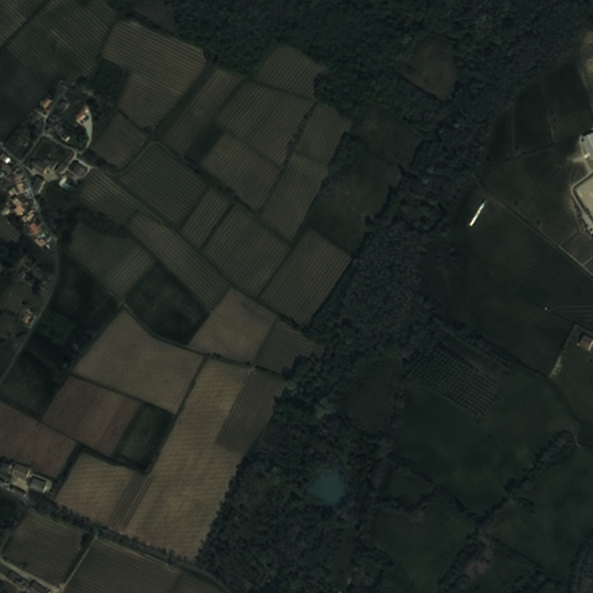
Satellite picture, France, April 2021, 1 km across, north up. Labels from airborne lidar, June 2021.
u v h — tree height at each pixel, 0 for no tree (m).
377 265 30
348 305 23
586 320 0
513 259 0
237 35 20
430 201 14
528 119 0
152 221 0
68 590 0
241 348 0
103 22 0
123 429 0
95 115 8
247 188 0
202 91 0
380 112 0
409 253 33
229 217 0
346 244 0
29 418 0
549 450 12
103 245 0
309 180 0
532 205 0
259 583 17
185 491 0
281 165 0
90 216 9
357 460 18
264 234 0
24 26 0
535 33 16
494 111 17
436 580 0
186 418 0
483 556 12
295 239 0
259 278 0
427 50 0
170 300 0
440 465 0
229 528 20
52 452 0
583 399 0
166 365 0
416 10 16
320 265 0
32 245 0
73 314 0
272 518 12
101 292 0
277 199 0
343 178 11
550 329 0
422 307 21
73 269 0
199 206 0
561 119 0
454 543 0
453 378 19
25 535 0
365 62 18
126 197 0
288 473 7
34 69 0
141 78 0
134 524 0
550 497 0
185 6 19
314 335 11
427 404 0
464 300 0
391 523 0
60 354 0
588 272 0
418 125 18
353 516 18
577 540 0
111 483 0
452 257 8
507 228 0
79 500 0
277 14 17
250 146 0
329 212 0
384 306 30
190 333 0
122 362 0
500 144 0
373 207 0
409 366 18
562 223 0
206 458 0
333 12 18
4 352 0
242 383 0
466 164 10
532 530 0
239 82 0
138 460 0
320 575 19
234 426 0
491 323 0
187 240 0
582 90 0
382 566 9
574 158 0
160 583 0
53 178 0
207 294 0
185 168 0
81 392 0
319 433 29
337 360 11
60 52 0
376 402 0
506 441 0
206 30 19
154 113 0
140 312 0
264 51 17
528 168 0
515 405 0
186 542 0
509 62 18
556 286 0
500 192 0
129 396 0
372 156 0
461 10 7
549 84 0
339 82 21
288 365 0
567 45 23
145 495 0
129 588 0
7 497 0
